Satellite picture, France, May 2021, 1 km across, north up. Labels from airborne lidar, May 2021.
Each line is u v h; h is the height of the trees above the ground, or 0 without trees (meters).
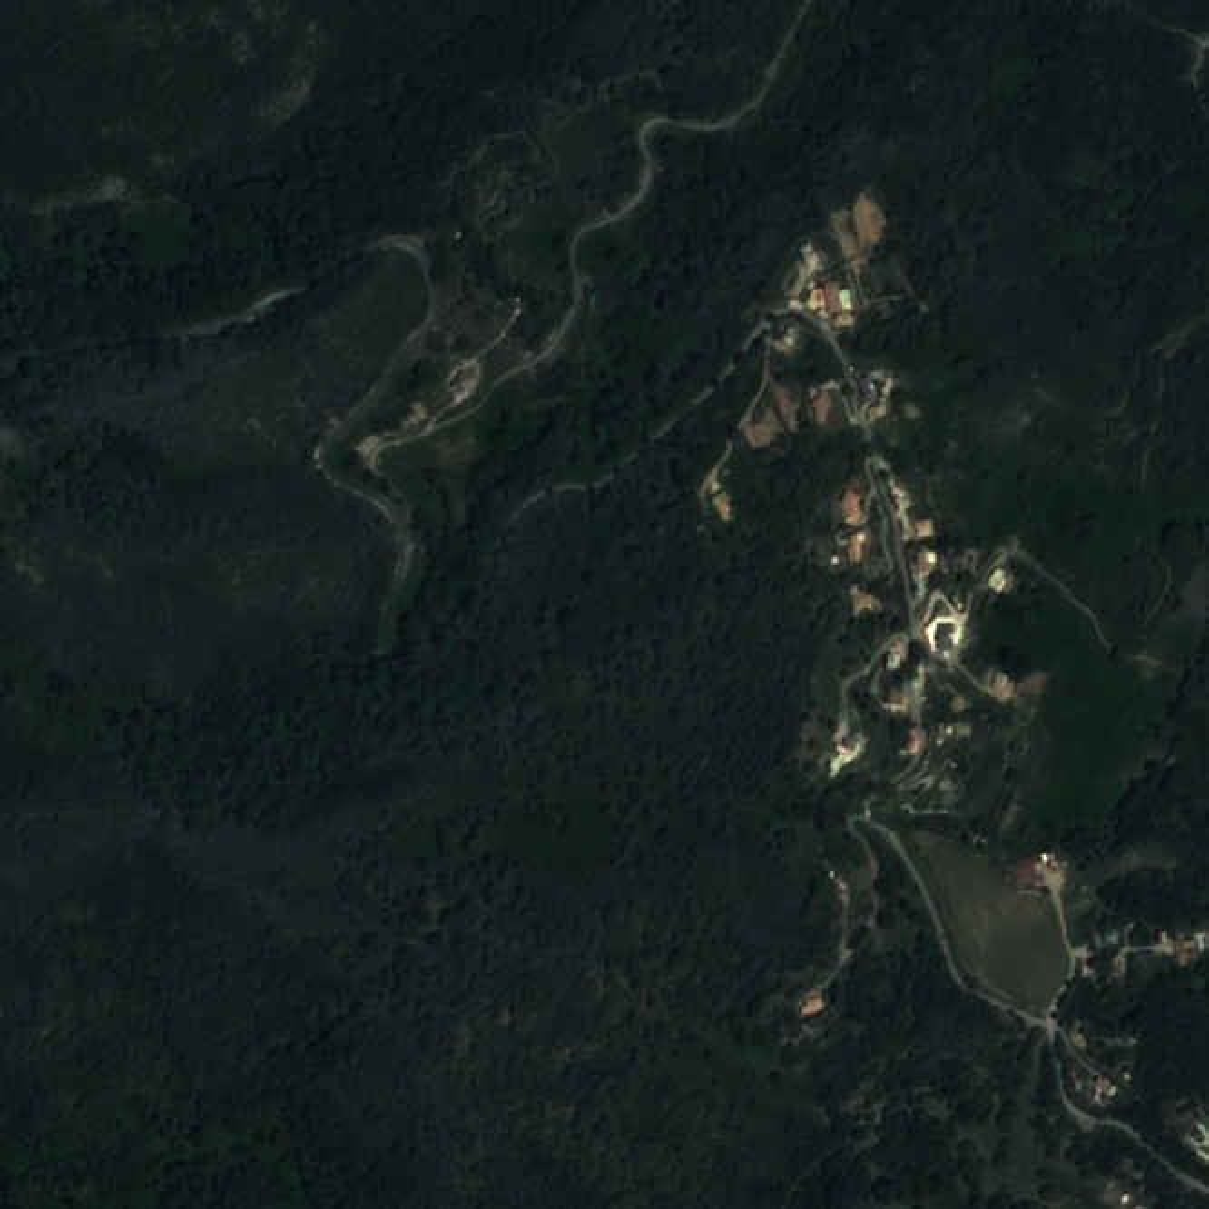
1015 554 0
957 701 0
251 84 9
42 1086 11
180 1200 17
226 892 6
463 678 22
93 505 17
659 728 8
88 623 7
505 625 19
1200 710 15
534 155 10
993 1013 11
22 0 6
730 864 5
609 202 7
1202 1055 7
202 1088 16
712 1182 6
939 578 12
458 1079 9
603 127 12
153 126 8
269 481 6
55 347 19
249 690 15
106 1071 11
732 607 12
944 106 10
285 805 15
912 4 14
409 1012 8
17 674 10
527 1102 11
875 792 18
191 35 8
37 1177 10
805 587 14
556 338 0
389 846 13
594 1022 10
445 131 15
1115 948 9
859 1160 11
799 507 18
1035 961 0
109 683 10
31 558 6
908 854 0
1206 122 7
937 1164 19
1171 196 10
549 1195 9
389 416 8
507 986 10
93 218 20
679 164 19
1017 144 12
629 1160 10
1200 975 12
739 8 11
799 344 0
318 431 7
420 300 5
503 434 16
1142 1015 16
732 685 11
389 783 7
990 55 12
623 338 18
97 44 5
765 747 11
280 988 6
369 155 18
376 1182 9
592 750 13
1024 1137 0
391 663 21
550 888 6
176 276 17
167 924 15
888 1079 9
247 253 9
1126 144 12
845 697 0
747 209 18
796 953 8
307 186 12
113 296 20
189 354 9
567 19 13
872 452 12
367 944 17
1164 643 0
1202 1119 8
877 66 16
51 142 9
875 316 7
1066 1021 8
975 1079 9
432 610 24
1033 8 12
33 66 7
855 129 7
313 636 7
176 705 18
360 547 12
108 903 10
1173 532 19
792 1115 6
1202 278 6
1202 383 6
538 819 10
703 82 9
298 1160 12
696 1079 9
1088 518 11
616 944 13
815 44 15
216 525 11
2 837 6
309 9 8
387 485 13
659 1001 14
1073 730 0
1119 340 7
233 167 16
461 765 12
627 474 16
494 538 14
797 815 19
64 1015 14
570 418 16
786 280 0
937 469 8
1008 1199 6
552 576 9
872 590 12
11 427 16
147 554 6
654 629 10
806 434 13
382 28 13
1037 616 16
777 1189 13
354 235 6
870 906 7
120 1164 17
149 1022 15
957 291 10
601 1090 10
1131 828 14
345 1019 11
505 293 13
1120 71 7
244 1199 10
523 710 13
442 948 14
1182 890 15
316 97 10
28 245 22
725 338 13
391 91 21
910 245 7
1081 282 11
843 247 0
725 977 12
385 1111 7
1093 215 14
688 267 13
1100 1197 0
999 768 0
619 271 9
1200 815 19
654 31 6
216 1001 13
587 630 7
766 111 12
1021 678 17
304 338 9
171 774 17
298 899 6
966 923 0
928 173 12
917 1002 12
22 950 8
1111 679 0
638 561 13
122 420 8
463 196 8
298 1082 13
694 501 12
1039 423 7
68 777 9
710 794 12
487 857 10
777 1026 12
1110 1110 6
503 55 17
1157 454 6
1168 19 7
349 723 18
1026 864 0
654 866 12
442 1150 11
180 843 6
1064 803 0
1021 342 7
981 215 8
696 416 12
